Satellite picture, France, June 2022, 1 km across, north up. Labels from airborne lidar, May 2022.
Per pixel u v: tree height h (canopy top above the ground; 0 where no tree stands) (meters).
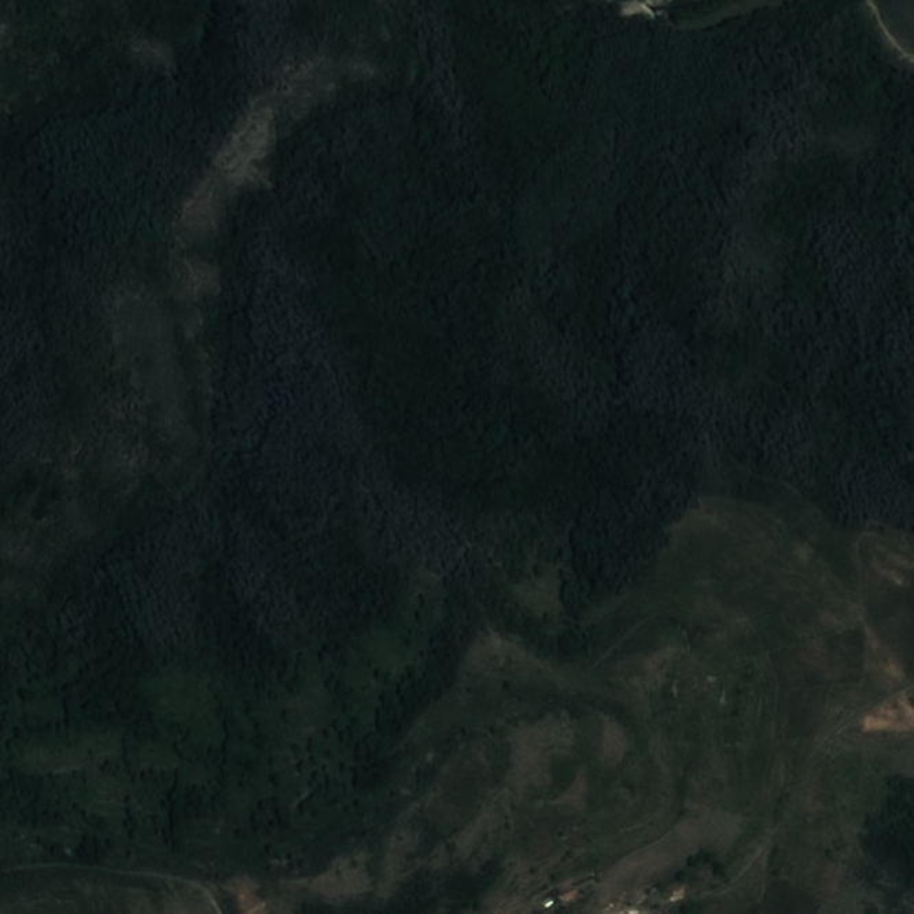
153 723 15
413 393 16
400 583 8
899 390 10
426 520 13
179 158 20
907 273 17
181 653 10
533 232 21
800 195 20
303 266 10
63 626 12
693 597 0
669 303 7
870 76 18
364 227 17
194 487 12
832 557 0
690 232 7
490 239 9
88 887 0
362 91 13
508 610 7
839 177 19
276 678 8
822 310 19
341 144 21
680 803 0
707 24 0
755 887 0
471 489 12
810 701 0
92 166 32
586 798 0
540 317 11
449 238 7
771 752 0
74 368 20
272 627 13
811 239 13
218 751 11
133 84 19
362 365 19
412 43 17
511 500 13
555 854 0
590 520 15
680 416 16
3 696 20
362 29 12
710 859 12
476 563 12
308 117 9
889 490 22
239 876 0
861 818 0
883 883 0
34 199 21
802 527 0
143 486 11
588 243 18
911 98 11
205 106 19
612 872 0
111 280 14
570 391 15
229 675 12
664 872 0
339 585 10
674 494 6
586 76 21
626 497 11
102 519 12
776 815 0
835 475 12
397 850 0
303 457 17
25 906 0
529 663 0
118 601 19
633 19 15
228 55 18
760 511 0
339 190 9
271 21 18
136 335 0
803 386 9
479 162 9
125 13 7
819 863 0
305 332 12
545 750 0
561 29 20
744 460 15
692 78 28
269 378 7
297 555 7
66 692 12
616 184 23
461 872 0
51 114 16
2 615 14
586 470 15
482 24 7
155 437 10
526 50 13
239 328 17
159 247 12
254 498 12
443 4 10
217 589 19
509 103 16
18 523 7
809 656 0
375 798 0
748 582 0
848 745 0
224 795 15
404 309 7
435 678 9
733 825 0
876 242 14
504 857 0
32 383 15
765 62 20
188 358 13
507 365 15
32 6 16
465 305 15
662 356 20
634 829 0
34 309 17
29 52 12
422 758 0
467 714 0
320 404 18
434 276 6
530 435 24
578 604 17
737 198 15
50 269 25
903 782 7
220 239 13
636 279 16
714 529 0
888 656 0
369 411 15
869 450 8
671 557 0
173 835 13
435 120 22
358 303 17
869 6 0
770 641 0
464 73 12
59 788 6
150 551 23
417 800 0
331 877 0
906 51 0
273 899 0
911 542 0
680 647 0
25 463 14
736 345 10
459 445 9
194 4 21
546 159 13
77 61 10
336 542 9
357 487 15
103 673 12
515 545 11
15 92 9
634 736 0
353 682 0
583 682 0
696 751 0
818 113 13
